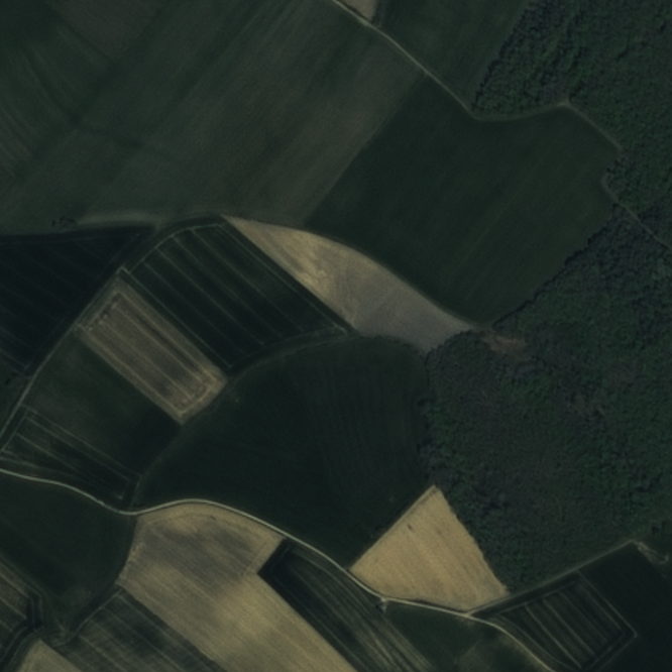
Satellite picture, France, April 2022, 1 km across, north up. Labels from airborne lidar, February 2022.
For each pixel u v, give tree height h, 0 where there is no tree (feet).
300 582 0
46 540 0
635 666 0
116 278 0
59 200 0
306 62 0
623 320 74
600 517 34
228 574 0
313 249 0
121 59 0
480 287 0
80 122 0
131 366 0
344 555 0
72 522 0
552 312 71
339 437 0
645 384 69
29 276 0
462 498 73
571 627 0
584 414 71
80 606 0
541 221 0
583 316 73
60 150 0
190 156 0
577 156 0
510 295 0
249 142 0
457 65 0
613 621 0
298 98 0
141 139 0
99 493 0
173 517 0
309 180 0
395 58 0
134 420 0
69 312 0
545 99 58
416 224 0
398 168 0
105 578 0
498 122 0
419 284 0
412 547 0
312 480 0
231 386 0
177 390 0
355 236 0
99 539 0
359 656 0
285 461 0
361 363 0
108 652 0
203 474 0
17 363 0
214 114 0
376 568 0
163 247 0
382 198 0
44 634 0
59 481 0
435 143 0
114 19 0
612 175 52
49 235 0
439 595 0
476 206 0
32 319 0
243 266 0
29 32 0
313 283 0
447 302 0
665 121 73
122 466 0
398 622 0
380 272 0
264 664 0
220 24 0
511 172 0
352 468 0
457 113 0
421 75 0
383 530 37
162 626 0
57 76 0
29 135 0
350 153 0
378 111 0
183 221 0
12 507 0
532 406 49
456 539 0
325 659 0
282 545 0
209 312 0
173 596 0
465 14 0
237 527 0
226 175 0
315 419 0
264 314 0
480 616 0
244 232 0
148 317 0
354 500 0
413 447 0
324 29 0
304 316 0
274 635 0
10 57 0
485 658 0
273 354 0
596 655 0
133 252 0
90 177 0
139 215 0
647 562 0
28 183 0
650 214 55
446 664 0
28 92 0
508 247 0
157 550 0
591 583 0
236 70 0
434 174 0
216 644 0
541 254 0
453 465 70
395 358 0
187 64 0
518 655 0
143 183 0
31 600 0
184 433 0
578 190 0
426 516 0
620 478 62
